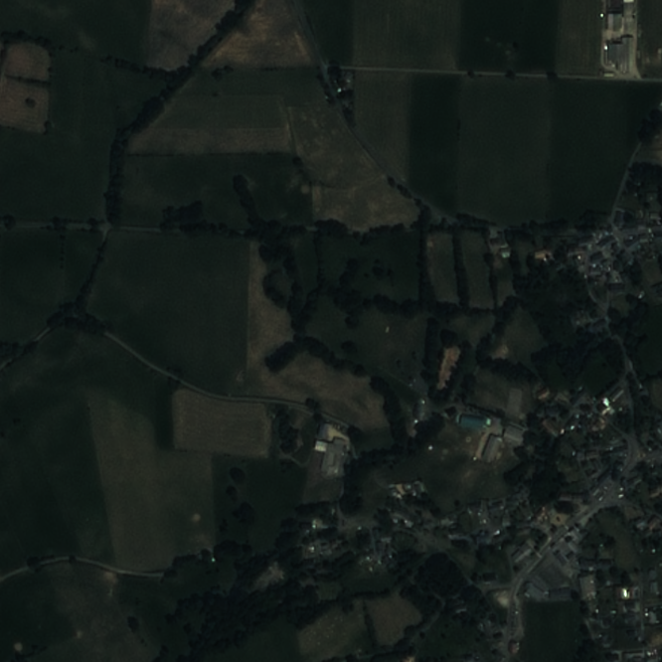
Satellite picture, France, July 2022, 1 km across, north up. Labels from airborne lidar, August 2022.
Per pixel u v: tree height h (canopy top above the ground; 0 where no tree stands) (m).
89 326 20
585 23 0
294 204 0
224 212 0
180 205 0
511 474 12
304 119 0
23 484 0
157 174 0
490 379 0
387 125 0
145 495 0
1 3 0
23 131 0
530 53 0
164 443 0
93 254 0
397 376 0
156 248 0
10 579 0
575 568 0
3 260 0
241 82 0
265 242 16
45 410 0
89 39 0
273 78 0
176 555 0
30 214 0
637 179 19
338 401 0
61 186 0
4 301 0
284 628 0
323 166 0
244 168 0
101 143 0
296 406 0
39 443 0
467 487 0
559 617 0
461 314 19
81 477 0
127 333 0
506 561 0
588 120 0
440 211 0
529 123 0
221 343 0
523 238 16
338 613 0
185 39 0
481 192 0
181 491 0
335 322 0
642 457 0
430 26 0
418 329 0
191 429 0
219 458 0
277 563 17
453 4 0
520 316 0
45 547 0
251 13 0
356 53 0
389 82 0
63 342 0
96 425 0
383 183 0
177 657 0
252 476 0
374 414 0
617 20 0
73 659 0
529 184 0
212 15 0
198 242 0
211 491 0
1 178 0
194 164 0
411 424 0
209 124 0
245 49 0
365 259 0
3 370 0
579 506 0
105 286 0
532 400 0
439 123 0
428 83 0
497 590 0
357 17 0
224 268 0
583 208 0
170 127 0
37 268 0
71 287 0
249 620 17
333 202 0
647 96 0
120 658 0
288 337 0
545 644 0
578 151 0
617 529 0
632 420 7
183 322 0
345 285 16
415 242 0
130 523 0
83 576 0
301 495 0
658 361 0
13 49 0
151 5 0
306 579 12
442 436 0
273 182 0
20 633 0
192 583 0
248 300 0
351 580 0
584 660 16
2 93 0
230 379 0
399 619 0
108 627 0
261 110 0
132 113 0
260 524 0
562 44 0
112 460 0
